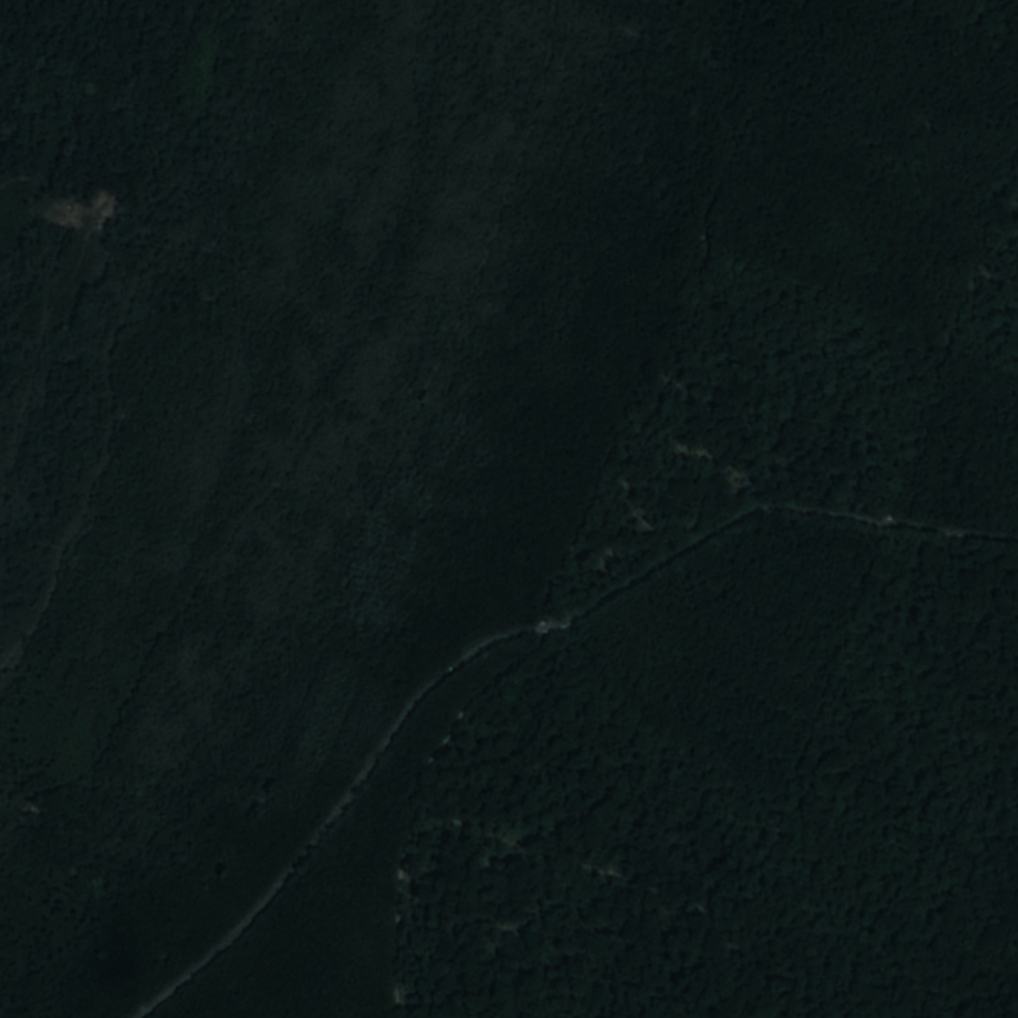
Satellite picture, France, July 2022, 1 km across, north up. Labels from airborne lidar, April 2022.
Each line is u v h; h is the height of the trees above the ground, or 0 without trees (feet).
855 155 69
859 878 42
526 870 91
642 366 49
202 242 19
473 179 19
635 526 59
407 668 41
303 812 33
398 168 19
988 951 78
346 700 24
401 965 61
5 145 22
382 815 46
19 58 32
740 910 87
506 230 31
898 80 49
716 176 59
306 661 23
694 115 85
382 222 19
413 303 25
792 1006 77
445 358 31
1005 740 62
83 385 30
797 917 51
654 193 53
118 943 47
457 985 35
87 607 33
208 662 27
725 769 58
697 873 44
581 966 73
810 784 65
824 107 58
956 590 61
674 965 97
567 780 76
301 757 36
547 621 52
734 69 65
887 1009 62
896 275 71
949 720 40
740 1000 79
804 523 51
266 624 25
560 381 43
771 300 68
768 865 53
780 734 46
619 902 87
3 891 31
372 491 22
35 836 51
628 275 55
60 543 25
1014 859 74
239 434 33
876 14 58
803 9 64
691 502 57
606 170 33
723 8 62
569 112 32
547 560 54
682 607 45
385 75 24
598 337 58
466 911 82
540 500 57
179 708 24
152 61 55
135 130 40
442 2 32
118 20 38
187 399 19
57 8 41
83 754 0
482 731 55
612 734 69
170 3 57
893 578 53
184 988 34
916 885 52
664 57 72
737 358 84
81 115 32
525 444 55
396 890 41
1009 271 60
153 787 25
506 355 33
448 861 91
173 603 33
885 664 84
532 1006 38
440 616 57
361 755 30
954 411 66
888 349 69
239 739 34
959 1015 63
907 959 77
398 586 45
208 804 54
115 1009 31
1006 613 84
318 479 21
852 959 42
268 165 37
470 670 47
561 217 26
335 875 49
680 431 58
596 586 61
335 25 37
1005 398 52
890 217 70
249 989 46
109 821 28
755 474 78
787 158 73
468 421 31
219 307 32
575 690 70
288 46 24
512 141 22
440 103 29
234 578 36
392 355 22
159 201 38
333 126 33
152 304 32
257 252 24
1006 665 73
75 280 0
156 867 28
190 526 23
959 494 52
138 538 17
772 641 49
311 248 18
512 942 74
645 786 76
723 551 28
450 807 64
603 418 56
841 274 47
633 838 62
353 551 33
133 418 24
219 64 32
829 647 25
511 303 33
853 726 79
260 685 36
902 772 65
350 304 22
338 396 29
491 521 52
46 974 19
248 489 25
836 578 45
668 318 47
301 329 31
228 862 34
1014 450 77
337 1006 49
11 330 30
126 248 41
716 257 66
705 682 55
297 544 29
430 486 30
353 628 22
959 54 49
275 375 32
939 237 71
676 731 46
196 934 44
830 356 70
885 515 48
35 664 32
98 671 25
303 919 53
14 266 30
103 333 20
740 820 58
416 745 47
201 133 24
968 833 82
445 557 40
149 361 26
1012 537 42
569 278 43
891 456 71
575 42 19
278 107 38
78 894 44
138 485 28
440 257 20
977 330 57
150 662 34
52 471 20
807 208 61
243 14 32
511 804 41
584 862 66
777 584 46
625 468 78
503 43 19
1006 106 62
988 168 51
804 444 77
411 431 19
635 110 56
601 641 48
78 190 58
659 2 63
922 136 68
